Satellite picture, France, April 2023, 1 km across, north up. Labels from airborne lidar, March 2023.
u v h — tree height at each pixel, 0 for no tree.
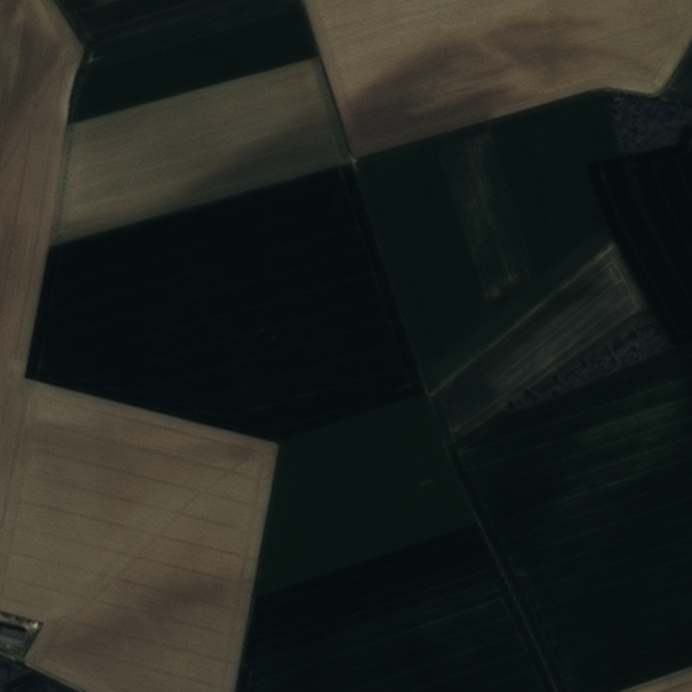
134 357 0
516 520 0
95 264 0
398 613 0
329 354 0
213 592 0
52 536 0
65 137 0
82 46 0
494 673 0
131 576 0
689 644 0
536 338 0
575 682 0
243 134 0
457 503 0
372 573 0
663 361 0
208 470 0
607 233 0
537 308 0
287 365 0
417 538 0
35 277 0
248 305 0
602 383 0
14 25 0
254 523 0
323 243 0
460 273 0
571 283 0
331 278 0
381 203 0
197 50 0
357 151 0
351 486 0
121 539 0
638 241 0
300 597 0
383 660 0
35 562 0
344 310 0
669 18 0
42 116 0
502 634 0
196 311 0
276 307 0
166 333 0
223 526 0
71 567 0
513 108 0
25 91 0
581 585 0
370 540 0
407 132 0
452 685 0
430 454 0
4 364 0
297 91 0
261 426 0
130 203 0
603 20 0
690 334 0
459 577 0
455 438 0
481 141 0
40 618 0
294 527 0
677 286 0
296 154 0
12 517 0
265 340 0
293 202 0
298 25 0
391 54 0
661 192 0
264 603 0
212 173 0
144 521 0
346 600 0
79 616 0
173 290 0
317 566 0
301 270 0
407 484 0
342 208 0
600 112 0
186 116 0
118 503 0
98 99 0
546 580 0
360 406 0
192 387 0
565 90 0
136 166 0
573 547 0
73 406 0
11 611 0
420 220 0
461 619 0
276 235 0
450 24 0
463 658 0
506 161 0
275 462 0
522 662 0
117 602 0
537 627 0
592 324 0
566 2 0
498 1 0
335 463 0
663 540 0
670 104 6
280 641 0
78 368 0
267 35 0
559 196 0
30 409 0
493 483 0
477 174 0
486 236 0
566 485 0
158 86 0
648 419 0
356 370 0
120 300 0
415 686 0
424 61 0
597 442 0
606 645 0
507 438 0
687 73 0
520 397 0
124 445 0
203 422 0
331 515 0
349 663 0
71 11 0
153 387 0
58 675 0
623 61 0
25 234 0
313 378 0
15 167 0
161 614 0
